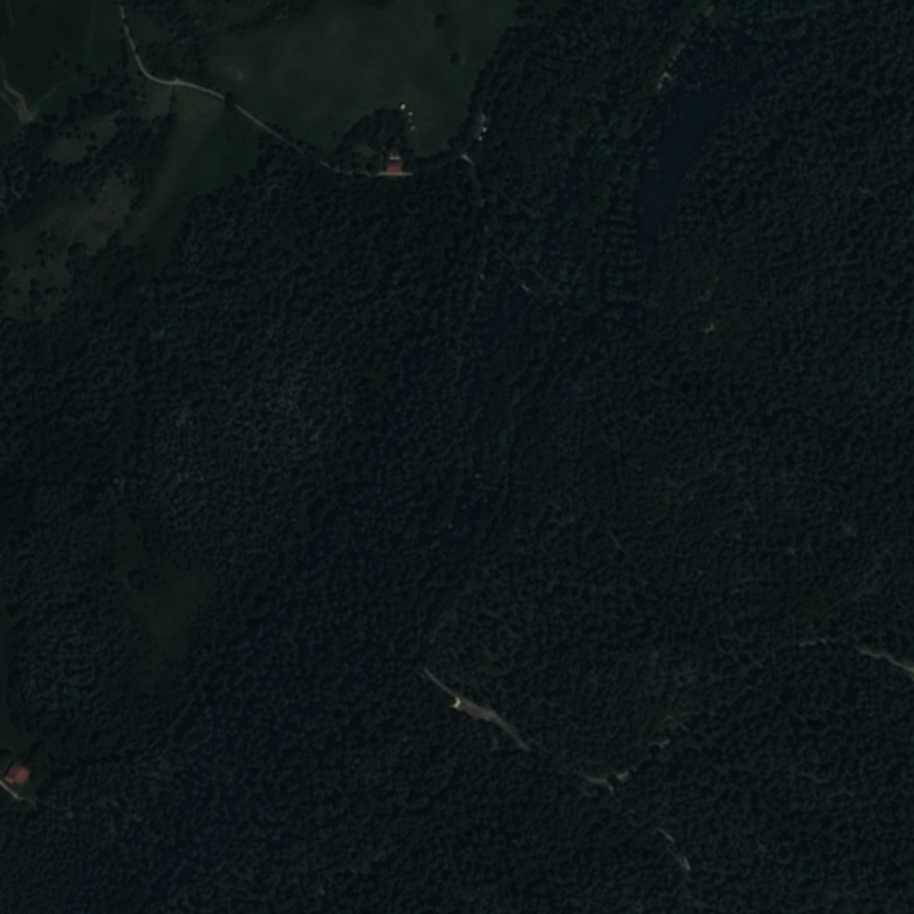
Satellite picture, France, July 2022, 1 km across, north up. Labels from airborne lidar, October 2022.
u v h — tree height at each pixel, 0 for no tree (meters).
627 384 18
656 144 18
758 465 18
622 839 25
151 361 24
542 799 26
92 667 8
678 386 25
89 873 28
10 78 0
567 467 17
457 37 0
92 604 28
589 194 26
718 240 21
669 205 28
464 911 26
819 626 25
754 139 18
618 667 20
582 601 30
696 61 10
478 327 15
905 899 27
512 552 24
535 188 27
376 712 37
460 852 30
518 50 21
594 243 23
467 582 13
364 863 7
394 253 9
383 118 14
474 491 33
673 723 11
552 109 26
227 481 10
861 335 17
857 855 23
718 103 34
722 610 21
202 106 0
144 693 7
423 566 29
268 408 18
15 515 10
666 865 28
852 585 9
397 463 30
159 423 24
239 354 10
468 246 16
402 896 27
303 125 0
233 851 33
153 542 11
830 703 35
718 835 25
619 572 24
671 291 12
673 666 12
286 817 34
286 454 14
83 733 20
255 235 19
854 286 14
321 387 17
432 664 18
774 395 24
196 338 10
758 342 19
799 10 28
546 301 38
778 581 7
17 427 14
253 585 28
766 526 21
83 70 16
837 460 15
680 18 33
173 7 8
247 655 31
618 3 40
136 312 7
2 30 5
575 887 23
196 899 10
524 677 27
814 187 22
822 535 19
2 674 0
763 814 30
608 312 20
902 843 20
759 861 21
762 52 31
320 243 24
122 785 30
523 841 27
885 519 19
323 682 21
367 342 26
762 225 12
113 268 7
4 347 14
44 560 36
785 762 14
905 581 20
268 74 0
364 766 19
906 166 31
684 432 24
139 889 31
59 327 17
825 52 12
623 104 31
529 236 26
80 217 0
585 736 8
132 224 13
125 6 9
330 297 14
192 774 12
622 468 19
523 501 23
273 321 18
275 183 22
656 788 23
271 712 28
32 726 16
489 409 35
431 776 25
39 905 22
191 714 6
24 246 0
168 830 23
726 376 24
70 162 0
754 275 14
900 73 36
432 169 20
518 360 34
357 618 31
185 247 23
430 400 34
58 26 0
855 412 20
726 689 21
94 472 7
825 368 19
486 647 19
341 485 6
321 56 0
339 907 12
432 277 17
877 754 27
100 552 10
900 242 30
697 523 17
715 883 27
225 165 0
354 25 0
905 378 15
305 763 31
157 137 12
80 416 12
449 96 0
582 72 27
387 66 0
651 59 35
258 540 7
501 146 7
